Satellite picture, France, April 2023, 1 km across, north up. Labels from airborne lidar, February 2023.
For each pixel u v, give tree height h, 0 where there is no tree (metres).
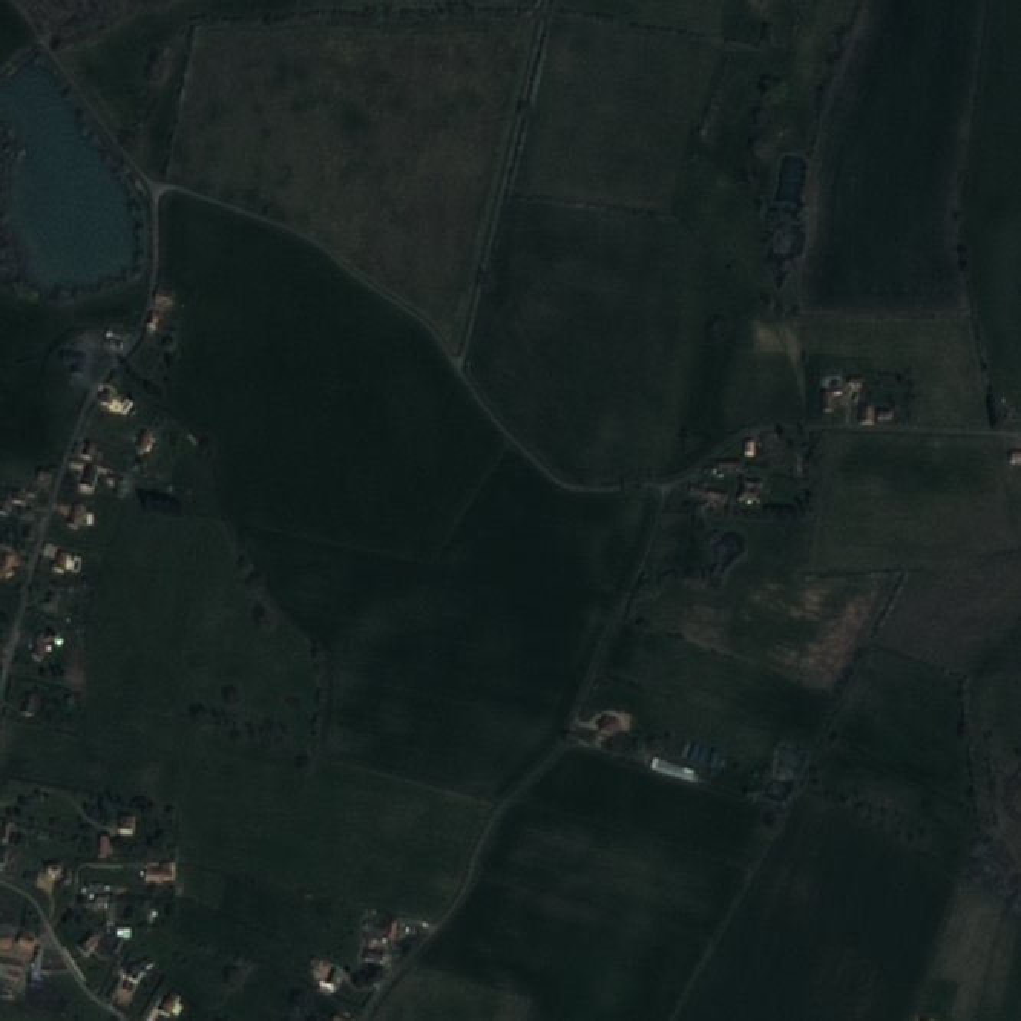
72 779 0
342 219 0
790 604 0
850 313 0
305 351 0
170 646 0
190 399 0
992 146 0
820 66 0
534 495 0
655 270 0
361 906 0
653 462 0
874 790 0
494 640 0
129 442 0
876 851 0
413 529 0
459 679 0
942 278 0
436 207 0
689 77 0
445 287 0
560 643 0
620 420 0
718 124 0
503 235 0
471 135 0
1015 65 0
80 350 0
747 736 0
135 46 0
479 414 0
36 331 0
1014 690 0
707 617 0
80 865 0
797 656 0
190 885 0
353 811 0
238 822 0
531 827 0
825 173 0
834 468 0
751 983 0
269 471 0
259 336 0
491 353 0
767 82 11
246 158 0
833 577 0
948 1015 0
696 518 8
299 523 0
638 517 0
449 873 0
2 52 0
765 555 0
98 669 0
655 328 0
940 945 0
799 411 0
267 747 14
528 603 0
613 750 12
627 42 0
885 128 0
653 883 0
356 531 0
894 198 0
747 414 0
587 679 0
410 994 0
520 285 0
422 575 0
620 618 0
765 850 0
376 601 0
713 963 0
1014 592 0
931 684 0
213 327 0
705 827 0
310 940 0
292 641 0
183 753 0
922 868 0
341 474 0
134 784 0
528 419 0
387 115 0
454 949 0
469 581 0
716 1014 0
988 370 10
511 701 0
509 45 0
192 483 0
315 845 0
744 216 0
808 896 0
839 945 0
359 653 0
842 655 0
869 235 0
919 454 0
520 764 0
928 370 0
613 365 0
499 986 0
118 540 0
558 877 0
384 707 0
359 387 0
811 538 0
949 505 0
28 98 0
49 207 0
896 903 0
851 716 0
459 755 0
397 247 0
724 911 0
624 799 0
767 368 0
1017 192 0
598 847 0
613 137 0
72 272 0
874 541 0
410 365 0
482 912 0
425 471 0
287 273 0
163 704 0
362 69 0
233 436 0
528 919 0
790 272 13
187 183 0
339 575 0
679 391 0
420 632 0
